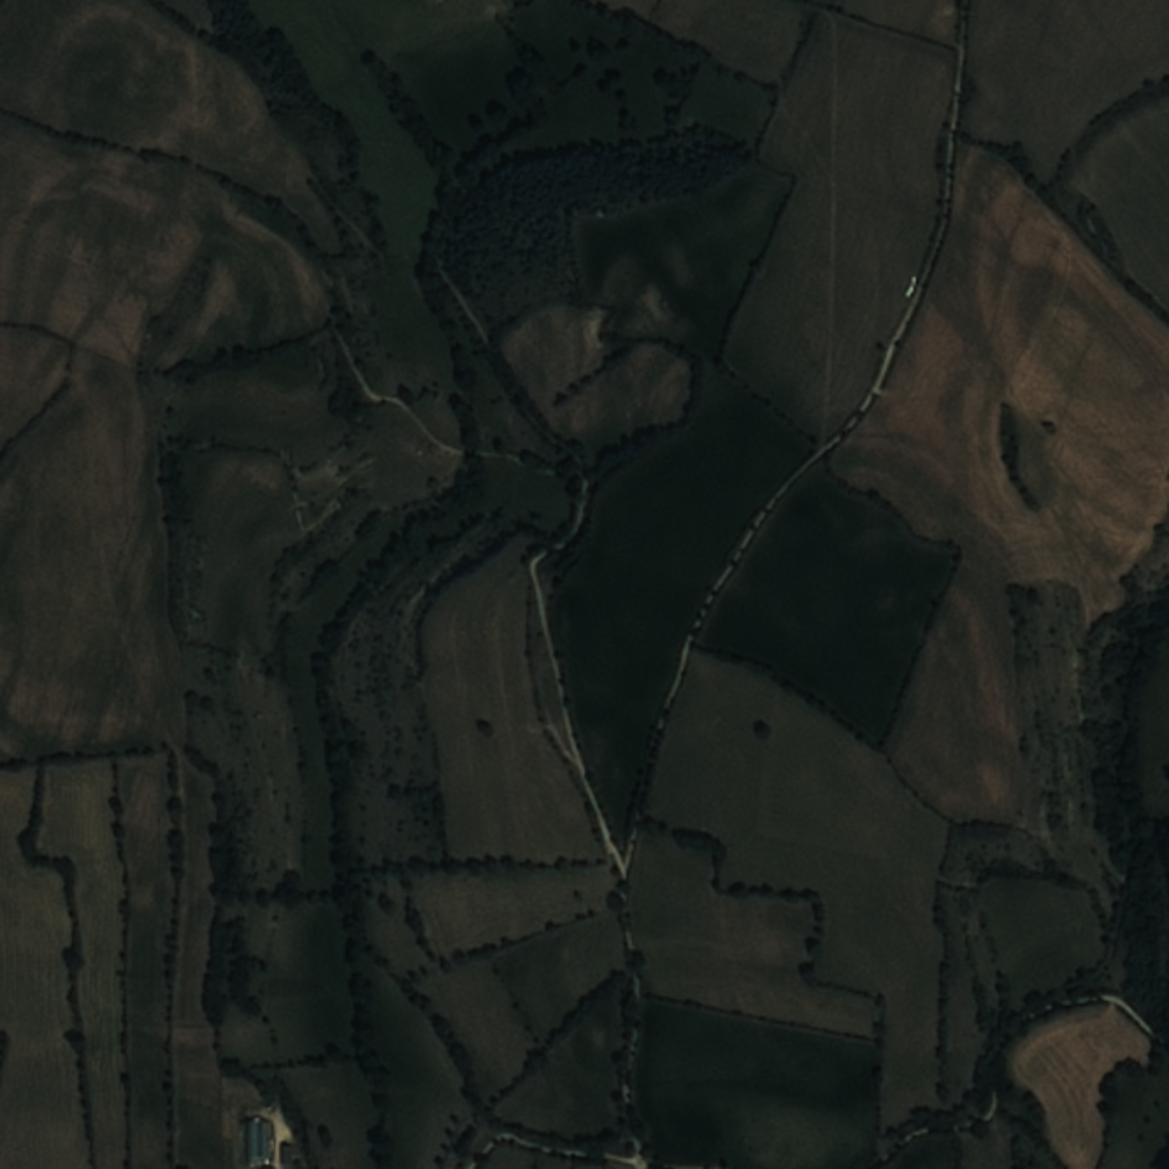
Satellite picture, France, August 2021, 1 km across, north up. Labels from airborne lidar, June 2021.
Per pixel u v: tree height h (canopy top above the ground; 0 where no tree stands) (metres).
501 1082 0
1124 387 0
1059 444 0
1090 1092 0
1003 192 0
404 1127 0
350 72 0
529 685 0
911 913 0
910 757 0
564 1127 0
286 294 0
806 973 12
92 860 0
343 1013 0
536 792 0
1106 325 0
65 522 0
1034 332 0
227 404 0
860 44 0
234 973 7
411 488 0
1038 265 0
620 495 0
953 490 0
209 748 0
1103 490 0
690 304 0
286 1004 0
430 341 0
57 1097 0
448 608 0
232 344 0
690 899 0
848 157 0
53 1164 0
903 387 0
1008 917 0
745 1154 0
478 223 8
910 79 0
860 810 0
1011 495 0
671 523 0
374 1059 20
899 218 0
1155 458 0
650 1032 0
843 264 0
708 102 0
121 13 0
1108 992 7
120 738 0
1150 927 19
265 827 0
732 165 13
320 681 12
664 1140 0
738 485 0
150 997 0
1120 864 14
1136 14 0
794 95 0
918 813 0
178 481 8
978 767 0
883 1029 10
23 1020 0
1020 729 0
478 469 15
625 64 0
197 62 0
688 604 0
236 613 0
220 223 0
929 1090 0
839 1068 0
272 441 0
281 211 13
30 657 0
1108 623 11
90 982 0
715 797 0
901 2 0
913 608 0
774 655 0
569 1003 0
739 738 0
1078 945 0
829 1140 0
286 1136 0
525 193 11
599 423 0
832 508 0
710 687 0
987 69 0
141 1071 0
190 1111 0
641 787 8
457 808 0
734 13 0
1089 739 8
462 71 0
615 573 0
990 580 0
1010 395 0
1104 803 14
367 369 9
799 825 0
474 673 0
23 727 0
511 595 0
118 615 0
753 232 0
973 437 0
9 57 0
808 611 0
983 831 7
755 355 0
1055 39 0
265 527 0
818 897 8
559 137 0
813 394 0
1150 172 0
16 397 0
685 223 0
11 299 0
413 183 0
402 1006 0
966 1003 0
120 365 0
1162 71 0
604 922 0
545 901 0
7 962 0
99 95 0
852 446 0
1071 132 0
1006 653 0
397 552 17
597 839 7
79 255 0
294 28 0
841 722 8
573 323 0
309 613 0
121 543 0
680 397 0
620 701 0
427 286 18
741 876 0
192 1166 0
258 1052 0
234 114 0
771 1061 0
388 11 0
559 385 0
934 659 0
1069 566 0
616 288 0
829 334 0
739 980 0
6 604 0
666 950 0
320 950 0
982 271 0
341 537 0
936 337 0
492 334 6
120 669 0
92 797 0
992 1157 0
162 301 0
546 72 20
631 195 11
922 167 0
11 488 0
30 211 0
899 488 0
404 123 12
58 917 0
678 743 0
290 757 0
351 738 9
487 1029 0
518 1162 0
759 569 0
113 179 0
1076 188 0
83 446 0
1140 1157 0
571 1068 0
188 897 0
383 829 0
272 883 0
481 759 0
